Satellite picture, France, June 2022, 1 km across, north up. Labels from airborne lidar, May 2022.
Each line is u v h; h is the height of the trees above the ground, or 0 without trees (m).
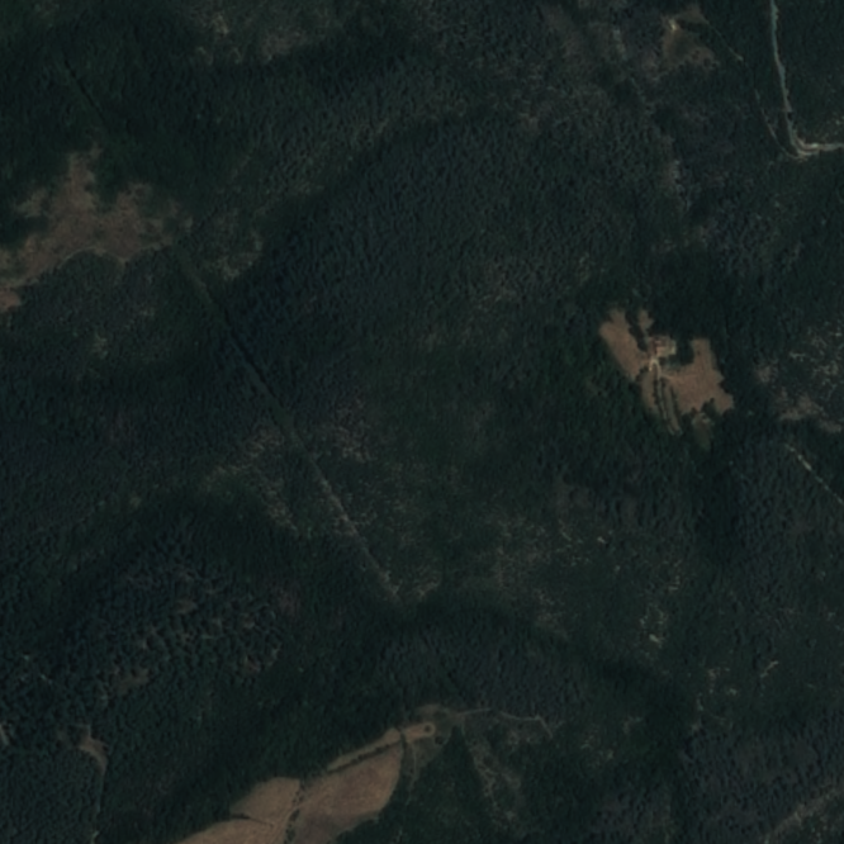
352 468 7
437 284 18
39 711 30
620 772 15
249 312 18
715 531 22
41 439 17
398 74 18
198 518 14
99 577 19
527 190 8
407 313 10
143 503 6
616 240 22
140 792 16
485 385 10
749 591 6
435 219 19
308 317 13
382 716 12
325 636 12
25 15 7
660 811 9
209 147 12
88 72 13
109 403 21
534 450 12
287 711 20
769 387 6
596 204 18
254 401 12
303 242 27
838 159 10
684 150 8
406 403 7
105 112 12
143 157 8
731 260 16
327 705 15
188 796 21
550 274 15
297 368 15
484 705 10
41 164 11
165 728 21
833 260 9
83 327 12
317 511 8
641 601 7
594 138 6
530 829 7
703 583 8
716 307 10
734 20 8
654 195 15
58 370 23
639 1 7
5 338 11
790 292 7
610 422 16
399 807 8
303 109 12
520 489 5
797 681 6
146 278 11
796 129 7
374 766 0
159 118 13
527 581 6
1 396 27
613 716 7
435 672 15
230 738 14
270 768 10
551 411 8
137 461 11
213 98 16
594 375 6
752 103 7
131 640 25
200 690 23
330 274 10
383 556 8
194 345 11
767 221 6
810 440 9
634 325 9
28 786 20
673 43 0
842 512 16
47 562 17
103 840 19
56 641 25
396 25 11
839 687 7
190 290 8
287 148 16
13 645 31
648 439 13
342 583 18
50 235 0
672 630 11
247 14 6
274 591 16
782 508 9
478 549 9
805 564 19
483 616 14
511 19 17
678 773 12
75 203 0
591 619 7
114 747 22
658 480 11
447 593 12
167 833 12
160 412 18
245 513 10
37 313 11
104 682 24
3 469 17
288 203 12
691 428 13
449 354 6
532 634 13
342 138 19
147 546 17
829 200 7
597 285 9
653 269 9
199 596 28
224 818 11
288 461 14
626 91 7
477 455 7
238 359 23
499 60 8
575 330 18
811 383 7
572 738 5
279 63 13
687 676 7
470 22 8
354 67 9
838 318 6
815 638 8
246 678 16
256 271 12
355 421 7
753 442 10
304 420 10
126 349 13
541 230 18
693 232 8
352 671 15
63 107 16
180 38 10
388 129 12
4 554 15
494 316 6
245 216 10
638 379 8
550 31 11
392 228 11
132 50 13
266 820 0
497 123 19
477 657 16
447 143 13
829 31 10
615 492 8
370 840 12
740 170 7
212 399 10
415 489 7
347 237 15
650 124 7
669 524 16
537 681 11
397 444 5
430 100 20
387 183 9
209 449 10
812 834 6
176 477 14
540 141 11
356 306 12
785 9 8
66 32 15
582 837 11
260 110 10
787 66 7
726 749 9
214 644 21
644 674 11
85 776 18
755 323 9
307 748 13
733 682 7
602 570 8
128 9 9
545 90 6
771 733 9
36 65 12
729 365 7
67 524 12
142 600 28
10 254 0
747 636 7
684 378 0
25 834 17
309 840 0
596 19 6
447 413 8
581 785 12
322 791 0
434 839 8
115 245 0
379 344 13
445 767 6
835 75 6
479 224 17
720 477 15
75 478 11
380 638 17
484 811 9
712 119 7
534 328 16
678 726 8
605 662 15
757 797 9
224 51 7
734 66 9
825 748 10
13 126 14
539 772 10
